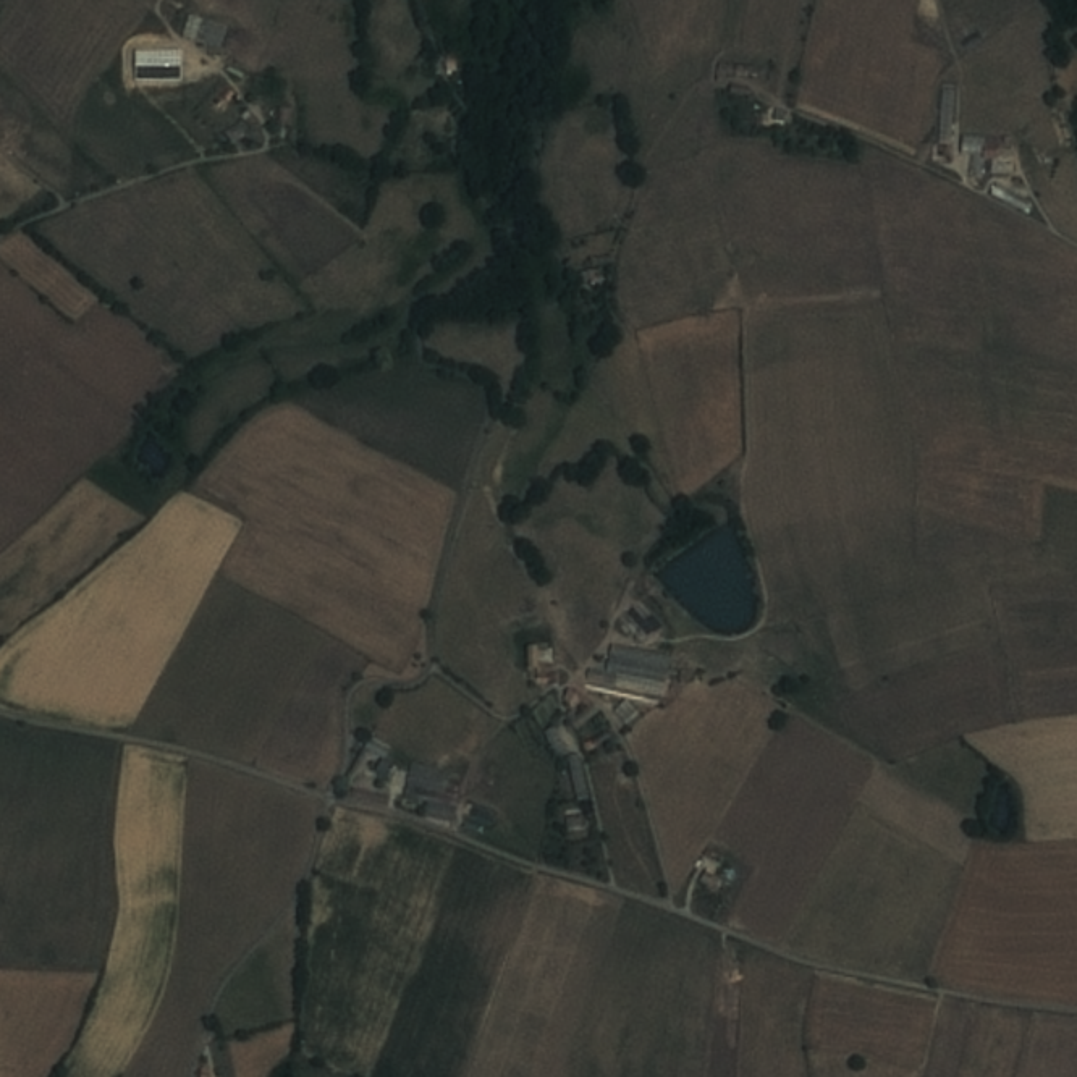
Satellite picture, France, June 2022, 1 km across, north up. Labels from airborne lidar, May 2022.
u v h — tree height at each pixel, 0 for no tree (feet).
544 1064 0
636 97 0
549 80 72
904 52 0
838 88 0
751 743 0
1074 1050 0
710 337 0
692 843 0
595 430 0
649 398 0
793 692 60
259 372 0
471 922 0
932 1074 0
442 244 0
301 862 0
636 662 0
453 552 0
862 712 0
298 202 0
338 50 0
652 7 0
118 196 0
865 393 0
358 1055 0
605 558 0
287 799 0
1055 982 0
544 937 0
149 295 0
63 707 0
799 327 0
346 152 50
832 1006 0
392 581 0
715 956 0
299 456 0
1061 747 0
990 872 0
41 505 0
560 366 0
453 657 0
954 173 0
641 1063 0
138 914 0
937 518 0
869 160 0
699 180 0
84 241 0
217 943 0
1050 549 0
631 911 0
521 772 0
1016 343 0
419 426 0
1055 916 0
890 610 0
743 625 0
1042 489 0
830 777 0
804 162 0
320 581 0
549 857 19
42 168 0
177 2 0
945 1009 0
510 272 67
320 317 0
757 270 0
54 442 0
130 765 0
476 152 69
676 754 0
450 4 0
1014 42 0
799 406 0
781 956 0
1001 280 0
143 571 0
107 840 0
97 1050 0
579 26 0
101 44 0
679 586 0
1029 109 0
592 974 0
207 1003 0
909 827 0
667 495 0
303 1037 31
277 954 0
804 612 0
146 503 0
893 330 0
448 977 0
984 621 0
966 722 0
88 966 0
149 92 0
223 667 0
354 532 0
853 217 0
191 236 0
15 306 0
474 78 90
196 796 0
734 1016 0
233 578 0
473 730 0
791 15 0
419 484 0
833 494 0
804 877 0
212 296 0
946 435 0
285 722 0
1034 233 0
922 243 0
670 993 0
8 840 0
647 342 0
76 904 0
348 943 0
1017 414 0
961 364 0
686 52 0
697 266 0
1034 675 0
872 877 0
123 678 0
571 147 0
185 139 0
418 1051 0
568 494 0
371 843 0
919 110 0
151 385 0
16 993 0
